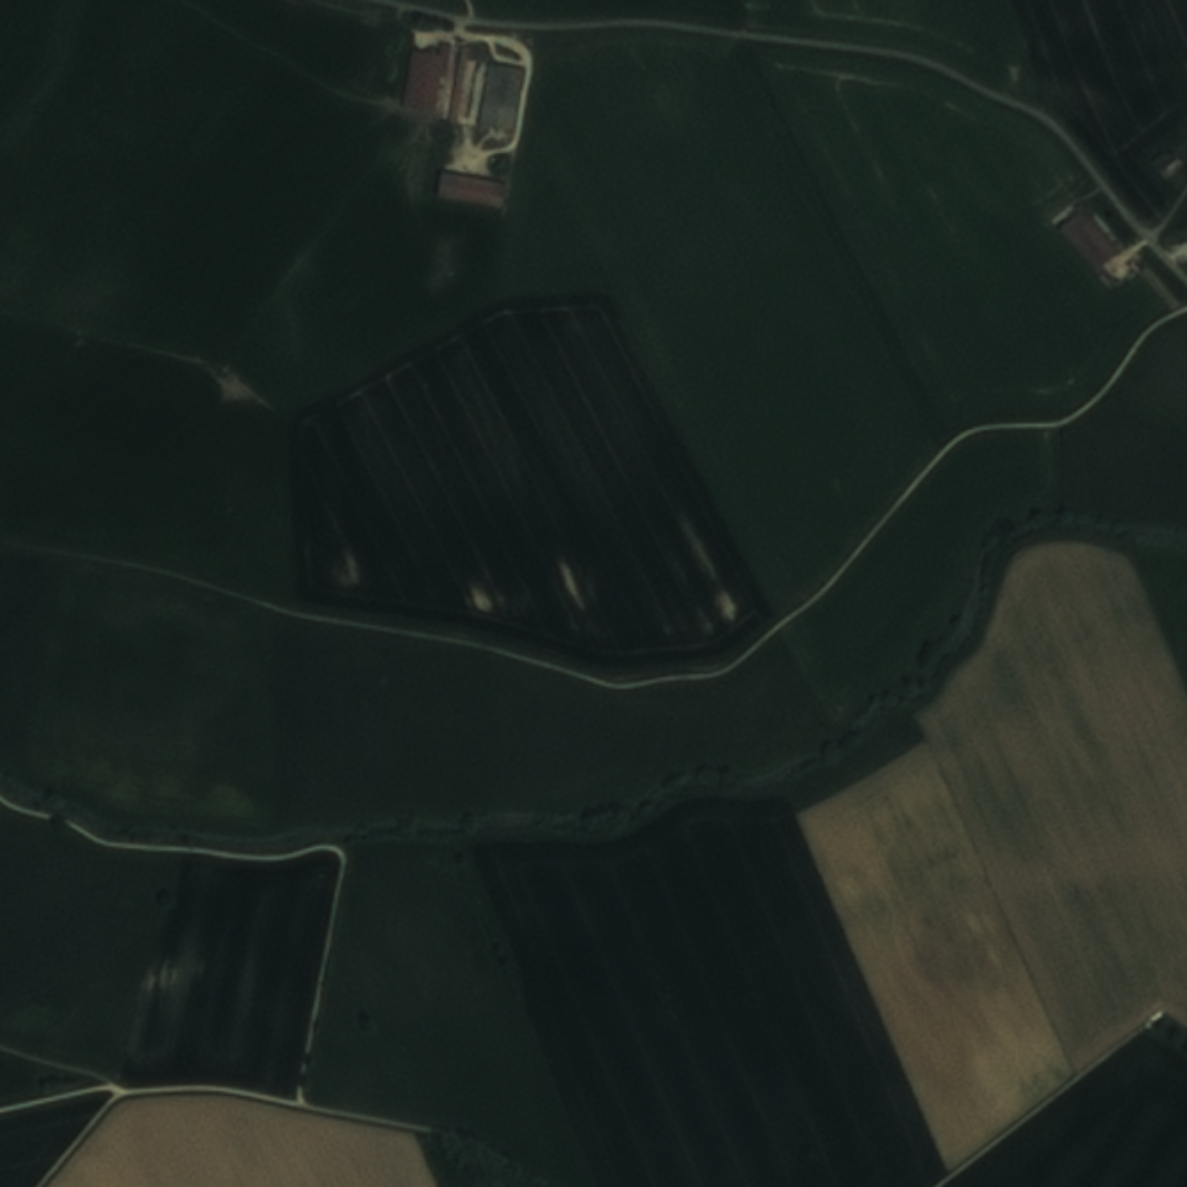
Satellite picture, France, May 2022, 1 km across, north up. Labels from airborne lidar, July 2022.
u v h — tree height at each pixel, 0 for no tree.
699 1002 0
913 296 0
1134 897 0
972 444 0
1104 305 0
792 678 0
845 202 0
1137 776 0
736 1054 0
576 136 0
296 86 0
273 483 0
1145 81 0
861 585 0
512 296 0
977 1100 0
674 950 0
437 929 0
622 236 0
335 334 0
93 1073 0
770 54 0
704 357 0
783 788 0
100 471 0
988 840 0
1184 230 0
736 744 0
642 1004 0
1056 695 0
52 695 0
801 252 0
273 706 0
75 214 0
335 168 0
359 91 0
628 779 0
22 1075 0
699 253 0
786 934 0
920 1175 0
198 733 0
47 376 0
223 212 0
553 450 0
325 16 0
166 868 0
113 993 0
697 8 0
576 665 0
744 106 0
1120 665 0
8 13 0
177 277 0
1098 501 0
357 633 0
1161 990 0
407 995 0
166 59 0
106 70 0
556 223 0
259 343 0
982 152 0
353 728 0
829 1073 0
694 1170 0
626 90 0
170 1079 0
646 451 0
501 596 0
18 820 0
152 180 0
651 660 0
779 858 0
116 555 0
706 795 0
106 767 0
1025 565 0
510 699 0
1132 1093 0
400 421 0
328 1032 0
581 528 0
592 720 0
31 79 0
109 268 0
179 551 0
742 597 0
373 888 0
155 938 0
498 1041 0
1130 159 0
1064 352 0
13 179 0
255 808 0
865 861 0
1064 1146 0
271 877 0
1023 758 0
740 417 0
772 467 0
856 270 0
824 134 0
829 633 0
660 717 0
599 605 0
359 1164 0
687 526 0
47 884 0
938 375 0
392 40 0
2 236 0
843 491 0
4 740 0
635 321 0
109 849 0
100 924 0
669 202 0
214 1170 0
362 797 0
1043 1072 0
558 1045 0
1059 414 0
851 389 0
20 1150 0
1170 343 0
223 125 0
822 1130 0
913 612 0
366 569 0
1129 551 0
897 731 0
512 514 0
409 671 0
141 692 0
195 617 0
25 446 0
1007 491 0
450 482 0
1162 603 0
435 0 0
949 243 0
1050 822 0
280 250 0
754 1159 0
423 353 0
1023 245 0
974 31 0
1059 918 0
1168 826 0
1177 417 0
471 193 0
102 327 0
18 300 0
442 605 0
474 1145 23
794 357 0
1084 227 0
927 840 0
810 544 0
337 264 0
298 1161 0
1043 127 0
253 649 0
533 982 0
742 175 0
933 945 0
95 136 0
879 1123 0
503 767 0
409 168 0
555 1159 0
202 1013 0
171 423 0
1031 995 0
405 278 0
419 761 0
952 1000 0
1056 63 0
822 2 0
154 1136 0
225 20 0
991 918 0
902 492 0
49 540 0
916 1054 0
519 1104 0
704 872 0
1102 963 0
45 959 0
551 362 0
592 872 0
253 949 0
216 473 0
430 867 0
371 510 0
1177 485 0
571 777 0
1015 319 0
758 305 0
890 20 0
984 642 0
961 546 0
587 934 0
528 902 0
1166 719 0
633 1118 0
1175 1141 0
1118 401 0
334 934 0
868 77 0
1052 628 0
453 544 0
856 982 0
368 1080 0
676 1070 0
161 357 0
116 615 0
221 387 0
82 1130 0
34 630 0
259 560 0
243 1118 0
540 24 0
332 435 0
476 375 0
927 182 0
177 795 0
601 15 0
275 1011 0
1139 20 0
